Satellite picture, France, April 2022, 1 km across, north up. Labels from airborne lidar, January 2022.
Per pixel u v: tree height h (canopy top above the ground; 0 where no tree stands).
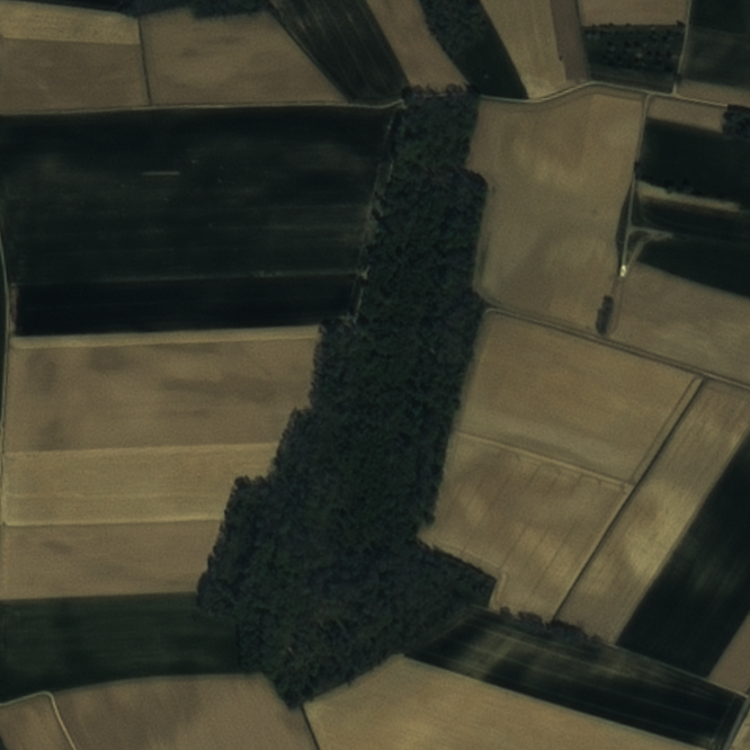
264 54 0
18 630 0
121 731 0
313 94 0
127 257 0
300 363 0
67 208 0
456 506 0
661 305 0
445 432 32
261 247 0
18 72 0
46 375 0
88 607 0
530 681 0
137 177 0
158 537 0
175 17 0
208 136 0
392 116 0
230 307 0
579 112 0
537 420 0
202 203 0
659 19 0
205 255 0
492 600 0
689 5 0
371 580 34
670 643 0
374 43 0
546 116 0
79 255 0
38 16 0
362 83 0
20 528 0
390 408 21
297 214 0
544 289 0
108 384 0
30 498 0
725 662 0
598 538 0
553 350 0
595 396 0
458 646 0
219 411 0
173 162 0
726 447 0
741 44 0
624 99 0
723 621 0
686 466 0
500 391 0
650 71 0
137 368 0
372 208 0
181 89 0
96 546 0
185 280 0
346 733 0
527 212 0
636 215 0
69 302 0
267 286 0
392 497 22
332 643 31
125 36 0
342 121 0
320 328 0
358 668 21
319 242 0
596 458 0
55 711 0
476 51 0
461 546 0
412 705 0
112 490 0
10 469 0
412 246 12
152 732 0
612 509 0
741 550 0
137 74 0
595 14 0
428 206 19
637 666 0
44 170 0
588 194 0
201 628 0
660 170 0
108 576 0
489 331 0
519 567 0
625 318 0
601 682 0
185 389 0
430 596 31
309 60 0
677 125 0
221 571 24
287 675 25
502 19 0
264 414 0
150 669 0
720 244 0
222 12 21
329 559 28
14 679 0
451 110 21
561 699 0
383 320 8
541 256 0
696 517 0
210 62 0
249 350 0
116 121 0
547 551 0
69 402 0
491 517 0
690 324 0
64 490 0
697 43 0
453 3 28
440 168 13
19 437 0
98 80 0
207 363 0
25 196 0
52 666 0
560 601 0
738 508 0
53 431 0
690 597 0
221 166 0
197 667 0
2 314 0
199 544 0
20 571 0
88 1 0
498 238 0
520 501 0
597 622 0
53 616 0
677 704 0
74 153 0
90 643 0
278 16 11
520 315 0
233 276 0
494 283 0
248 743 0
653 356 0
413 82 0
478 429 0
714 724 0
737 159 0
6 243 0
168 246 0
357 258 0
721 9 0
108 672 0
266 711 0
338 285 0
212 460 0
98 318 0
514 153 0
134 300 0
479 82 0
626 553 0
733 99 0
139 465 0
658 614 0
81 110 0
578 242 0
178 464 0
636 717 0
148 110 0
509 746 0
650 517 0
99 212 0
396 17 0
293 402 0
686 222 0
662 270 0
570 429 0
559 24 0
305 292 0
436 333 35
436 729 0
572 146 0
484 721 0
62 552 0
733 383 0
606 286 0
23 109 0
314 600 29
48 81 0
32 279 0
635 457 0
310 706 0
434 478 27
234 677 0
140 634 0
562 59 0
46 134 0
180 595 0
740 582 0
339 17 0
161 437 0
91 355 0
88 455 0
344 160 0
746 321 0
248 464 0
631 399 0
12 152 0
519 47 0
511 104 0
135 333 0
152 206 0
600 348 0
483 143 0
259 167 0
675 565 0
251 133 0
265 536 35
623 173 0
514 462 0
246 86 0
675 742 0
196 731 0
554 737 0
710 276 0
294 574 36
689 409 0
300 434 24
